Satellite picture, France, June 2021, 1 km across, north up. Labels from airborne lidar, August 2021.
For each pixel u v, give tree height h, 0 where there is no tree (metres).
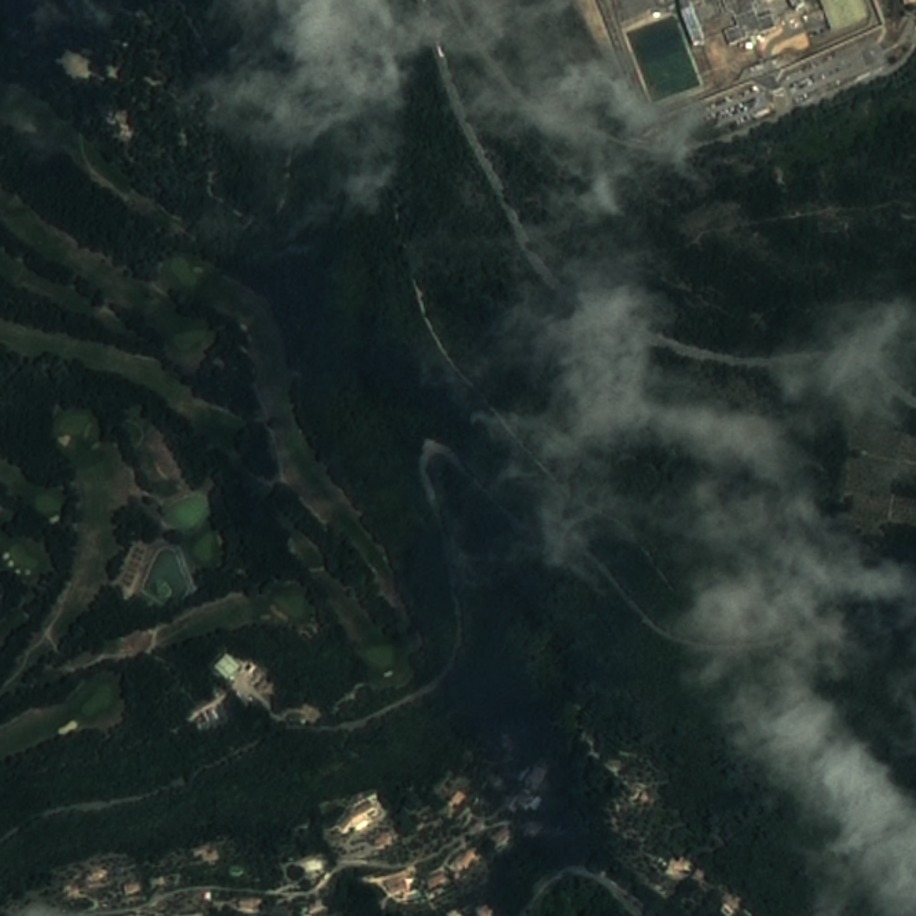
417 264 11
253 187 12
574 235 7
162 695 9
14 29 10
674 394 8
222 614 0
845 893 5
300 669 9
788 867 7
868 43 0
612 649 6
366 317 17
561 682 13
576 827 24
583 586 9
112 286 0
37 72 16
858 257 8
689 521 7
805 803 6
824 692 8
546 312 8
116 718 0
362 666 16
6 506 16
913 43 0
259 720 15
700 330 7
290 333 11
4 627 0
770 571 6
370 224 12
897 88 9
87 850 15
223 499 10
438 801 13
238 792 8
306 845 20
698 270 8
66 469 13
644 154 10
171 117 12
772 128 10
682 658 6
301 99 13
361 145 10
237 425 0
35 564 0
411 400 7
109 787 6
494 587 15
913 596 8
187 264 0
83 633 7
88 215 13
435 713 8
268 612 0
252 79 8
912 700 10
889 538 9
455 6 0
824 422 8
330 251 16
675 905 14
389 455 9
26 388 9
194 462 11
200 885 6
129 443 13
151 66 11
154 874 7
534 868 19
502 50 9
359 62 7
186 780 10
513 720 11
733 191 7
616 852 12
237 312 0
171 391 0
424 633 9
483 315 7
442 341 6
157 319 0
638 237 6
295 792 10
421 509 8
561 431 6
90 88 13
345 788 13
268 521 14
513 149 7
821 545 6
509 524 11
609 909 11
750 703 6
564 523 6
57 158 14
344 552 11
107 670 14
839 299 6
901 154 6
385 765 11
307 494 0
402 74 10
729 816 11
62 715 0
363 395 15
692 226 0
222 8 10
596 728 12
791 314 9
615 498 7
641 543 9
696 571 8
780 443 11
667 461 9
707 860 15
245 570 12
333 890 8
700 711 6
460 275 8
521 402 9
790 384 7
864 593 9
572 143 9
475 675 7
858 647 7
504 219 10
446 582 9
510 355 7
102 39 14
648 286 8
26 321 16
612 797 15
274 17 11
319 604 11
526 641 10
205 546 0
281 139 10
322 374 8
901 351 8
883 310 8
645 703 8
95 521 0
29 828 14
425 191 12
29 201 12
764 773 7
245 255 12
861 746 8
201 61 11
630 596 9
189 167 13
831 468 10
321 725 11
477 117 6
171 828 16
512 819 8
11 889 18
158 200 7
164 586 15
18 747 0
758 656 9
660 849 7
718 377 8
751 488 9
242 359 10
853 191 7
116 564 15
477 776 8
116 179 0
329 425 9
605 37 0
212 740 9
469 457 9
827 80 0
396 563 9
